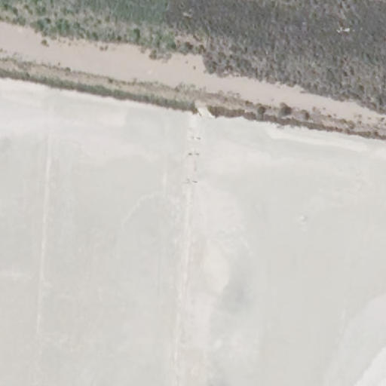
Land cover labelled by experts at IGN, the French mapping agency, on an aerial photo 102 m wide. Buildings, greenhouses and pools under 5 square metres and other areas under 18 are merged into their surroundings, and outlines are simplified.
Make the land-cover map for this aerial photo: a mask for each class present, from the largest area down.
<instances>
[{"label":"pervious surface","instance_id":"1","mask_svg":"<svg viewBox=\"0 0 386 386\"><path fill-rule=\"evenodd\" d=\"M151 51L148 48L142 53L139 45L89 41L60 35L53 39L41 35V32L35 29L24 26L0 21V386H386V115L359 106L354 100L336 101L329 96L308 93L300 86L267 83L265 80L241 77L240 74L219 77L207 71L204 57L199 54L173 53L169 60L154 59L149 57Z\"/></svg>","mask_w":386,"mask_h":386},{"label":"brushwood","instance_id":"2","mask_svg":"<svg viewBox=\"0 0 386 386\"><path fill-rule=\"evenodd\" d=\"M21 2L30 15L38 14L35 29L41 32V35L53 39L60 35L89 41L139 45L142 53L148 48L151 51L149 57L154 59L158 54H166L169 51L167 47L175 42V36L185 35L188 26L198 21H201L202 30L208 38V45H199V54L204 57L207 71L219 77L240 74L241 77L265 80L267 83L300 86L308 93L329 96L336 101L354 100L359 106L386 115V0H0V21L24 26L26 18L21 17L15 8V3Z\"/></svg>","mask_w":386,"mask_h":386},{"label":"herbaceous vegetation","instance_id":"3","mask_svg":"<svg viewBox=\"0 0 386 386\"><path fill-rule=\"evenodd\" d=\"M15 8L21 17L26 18L24 26L35 29L38 14L30 15L21 2L15 3ZM185 35L175 36V42L167 47L169 51L166 54H158L154 59L169 60L173 53L199 54V45H208V38L202 30L201 21H198L188 26Z\"/></svg>","mask_w":386,"mask_h":386}]
</instances>
